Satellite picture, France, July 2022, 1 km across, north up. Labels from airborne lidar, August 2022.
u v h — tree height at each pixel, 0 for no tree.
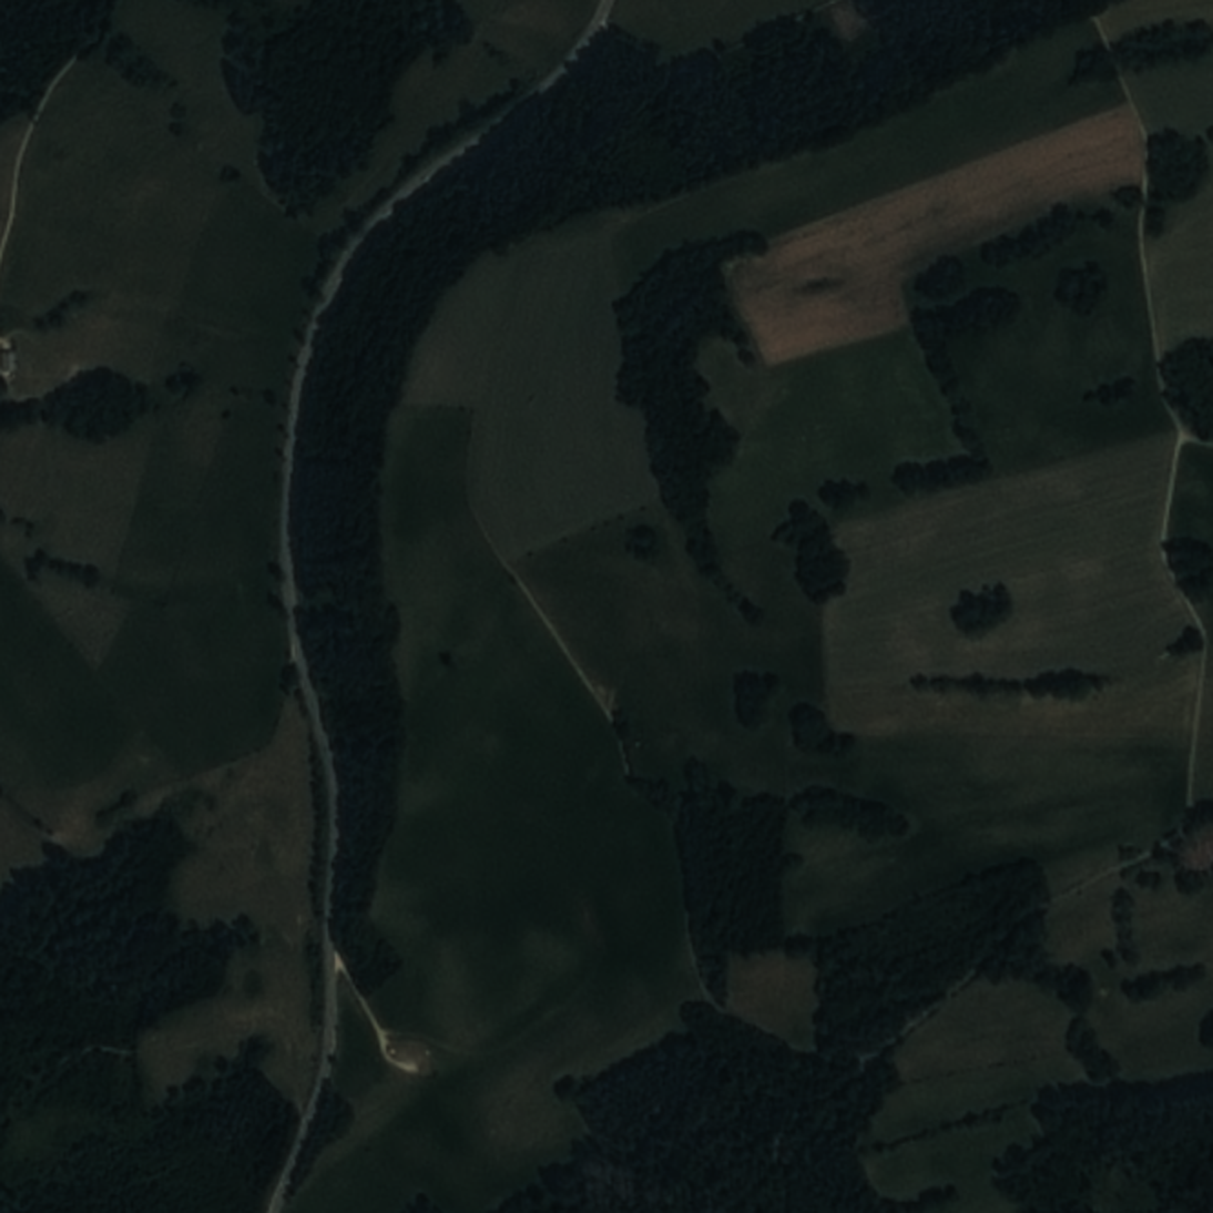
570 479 0
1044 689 12
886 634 0
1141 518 0
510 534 0
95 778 0
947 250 0
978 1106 0
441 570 0
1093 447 0
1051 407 0
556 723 0
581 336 0
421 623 0
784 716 0
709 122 23
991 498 0
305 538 24
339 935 16
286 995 0
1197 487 0
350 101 10
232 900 0
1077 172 0
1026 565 0
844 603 0
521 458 0
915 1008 20
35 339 0
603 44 20
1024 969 13
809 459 0
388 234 15
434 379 0
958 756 0
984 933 9
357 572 24
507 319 0
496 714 0
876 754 0
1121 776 0
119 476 0
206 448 0
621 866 0
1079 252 0
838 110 22
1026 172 0
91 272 0
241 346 0
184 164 0
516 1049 0
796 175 0
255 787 0
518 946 0
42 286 0
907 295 0
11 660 0
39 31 10
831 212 0
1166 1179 9
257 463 0
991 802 0
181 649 0
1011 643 0
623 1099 24
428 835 0
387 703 9
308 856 0
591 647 0
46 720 0
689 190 9
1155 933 0
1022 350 0
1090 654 0
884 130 0
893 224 0
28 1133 0
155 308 0
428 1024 0
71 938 29
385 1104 0
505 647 0
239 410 0
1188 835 12
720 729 0
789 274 0
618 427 0
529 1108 0
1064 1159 14
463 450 0
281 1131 12
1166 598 0
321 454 15
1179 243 0
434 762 0
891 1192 0
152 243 0
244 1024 0
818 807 12
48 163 0
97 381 18
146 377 0
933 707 0
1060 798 0
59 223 0
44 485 0
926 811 0
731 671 0
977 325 18
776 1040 11
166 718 0
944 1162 0
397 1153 0
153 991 16
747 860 6
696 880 16
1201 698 0
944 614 0
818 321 0
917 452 0
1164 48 17
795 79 22
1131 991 16
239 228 0
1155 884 11
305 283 0
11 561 0
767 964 0
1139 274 0
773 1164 16
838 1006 11
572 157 30
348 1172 0
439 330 0
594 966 0
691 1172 8
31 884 24
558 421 0
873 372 0
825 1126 15
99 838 0
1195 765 0
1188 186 14
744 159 15
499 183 28
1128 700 0
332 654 28
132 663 0
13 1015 11
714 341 0
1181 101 0
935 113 0
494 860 0
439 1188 0
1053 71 0
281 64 9
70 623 0
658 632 0
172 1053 0
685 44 0
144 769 0
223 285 0
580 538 0
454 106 0
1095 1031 10
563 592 0
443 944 0
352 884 15
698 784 16
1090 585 0
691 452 12
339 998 0
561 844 0
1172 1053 0
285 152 21
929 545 0
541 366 0
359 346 11
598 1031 0
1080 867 0
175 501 0
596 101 28
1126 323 0
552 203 25
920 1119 0
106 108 0
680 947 0
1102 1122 23
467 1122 0
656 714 0
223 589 0
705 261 13
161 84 12
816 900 0
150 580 0
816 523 10
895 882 0
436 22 21
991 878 12
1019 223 0
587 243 0
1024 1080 0
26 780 0
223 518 0
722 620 0
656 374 14
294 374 0
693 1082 26
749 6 0
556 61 0
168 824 7
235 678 0
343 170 23
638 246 0
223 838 0
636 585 0
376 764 27
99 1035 5
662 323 22
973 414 17
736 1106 15
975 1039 0
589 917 0
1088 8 13
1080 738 0
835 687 0
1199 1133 10
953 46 31
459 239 17
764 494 0
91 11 16
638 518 0
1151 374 0
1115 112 0
